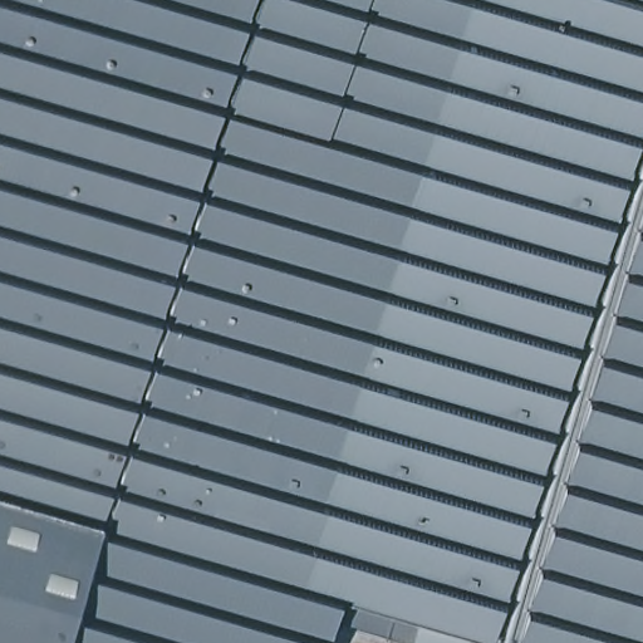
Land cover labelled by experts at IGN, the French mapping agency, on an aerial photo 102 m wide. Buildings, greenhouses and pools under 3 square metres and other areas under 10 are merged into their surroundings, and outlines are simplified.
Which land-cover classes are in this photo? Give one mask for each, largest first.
<instances>
[{"label":"building","instance_id":"1","mask_svg":"<svg viewBox=\"0 0 643 643\"><path fill-rule=\"evenodd\" d=\"M0 643H643V0H0Z\"/></svg>","mask_w":643,"mask_h":643}]
</instances>
